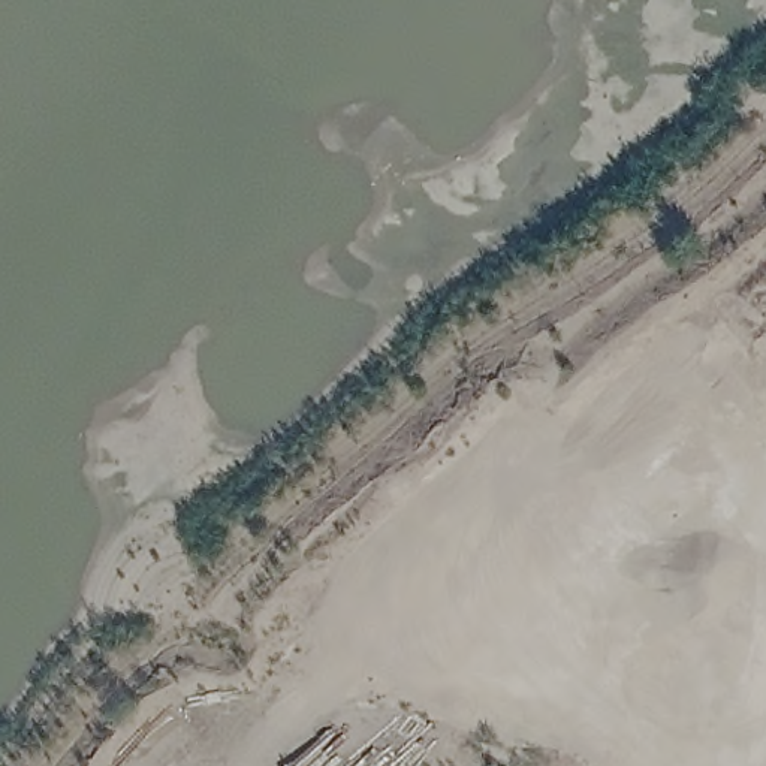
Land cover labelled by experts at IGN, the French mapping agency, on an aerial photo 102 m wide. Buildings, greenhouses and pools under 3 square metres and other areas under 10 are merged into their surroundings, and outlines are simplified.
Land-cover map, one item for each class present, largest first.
<instances>
[{"label":"pervious surface","instance_id":"1","mask_svg":"<svg viewBox=\"0 0 766 766\"><path fill-rule=\"evenodd\" d=\"M452 458L434 455L431 461L407 467L404 473H389L377 479L380 488L374 494V503L359 515L356 527H350L335 545L326 548L329 557L311 560V569H299L296 575H290L263 601V610L251 622L257 652L248 658V664L239 667V673H189L171 685L156 688L138 703V706H135V709H132V712H129V715H126V718H123V721H120V724H117V727L111 730V736L102 742L90 766H482L464 745L467 733H473L479 724H488L497 733L494 742H482L494 760L506 763L512 748L539 745L551 754V766H766V227L754 239L739 242L730 251V257L715 263L703 278L688 281L685 287H679L676 296H667L664 302L652 305L637 323H631L607 344H601L583 368L572 371L554 365L545 371L542 383L509 380V398H500L497 389L488 383V392L476 401V407L452 434Z\"/></svg>","mask_w":766,"mask_h":766},{"label":"water","instance_id":"2","mask_svg":"<svg viewBox=\"0 0 766 766\"><path fill-rule=\"evenodd\" d=\"M551 0H0V724H6V712L15 709V703L24 694V682L42 679L36 655L45 652V643H51L60 634V628H66L75 619L84 601V580L102 530V512L84 473L87 431L93 428V413L99 404L138 389L141 380H147L156 371H165L171 365V356L180 350L186 332L194 326H206L209 338L197 347V380L203 389V401L215 413L221 428L245 431L248 443L257 446L263 440H272V434L281 431L284 422H296L302 413V401L314 398L323 389V383L353 353H359L362 344L371 341L377 329L374 308L362 302H347L320 293L305 281V266L314 248L326 245L329 239H344L350 245L356 227L371 218L374 192L368 168L341 153H329L320 144V123L332 117V111H341L353 102H377L392 117H398L425 147L452 159H458L467 147L479 141L488 144L491 138H497L500 123V117L509 114L527 93L539 90L545 69L551 66Z\"/></svg>","mask_w":766,"mask_h":766},{"label":"bare soil","instance_id":"3","mask_svg":"<svg viewBox=\"0 0 766 766\"><path fill-rule=\"evenodd\" d=\"M748 9H754L763 21L736 30L724 42L721 36L694 30V0H649L643 6V48L652 63L697 66L688 81L682 75H649L643 99L631 111L616 114L610 102L613 96H625L628 84L622 78L601 81L607 57L595 45V36L583 33L580 51L586 54L589 66V96L583 105L589 108V120L580 126L575 159L542 162L530 174V183L521 194H512L500 180V165L515 153L521 135L509 123H500L497 138H491L488 144L479 141L467 147L458 159H452L425 147L398 117H392L377 102H353L341 111H332V117L320 123V144L329 153H341L368 168L374 192L371 218V233H383L389 224L410 221L416 215L413 209L395 212V194L404 189H425L434 203L446 206L455 215H476V206L464 203V194H470L473 186H482L485 197L500 200L497 212L491 215V230H476V242L485 251L461 275L449 278L437 290H425L419 275L407 278V290L419 299L425 305H443L455 290L482 284L485 269L512 266L518 260L521 245L548 242L557 230H563L566 221H583V212L592 200H601L610 186L628 183V165L634 159H640L646 150L661 147L670 135L694 132V126L700 123V108H691L688 99L694 93H703V87L718 72L736 66L748 45L766 36V0H748ZM739 111L748 129L721 144L703 168L676 171L673 183L661 186L667 197L661 206L655 200H646L640 212L610 215L601 248L580 254L569 272L545 275L536 269L518 290L506 281L494 293L497 308L491 314L467 326L449 320L434 335L428 353L419 362L425 386L410 392L401 380H395L377 392L374 407L365 410L350 431L332 428L320 464L293 488H287L281 500H263L266 524L257 536H251L245 527H233L227 533L224 551L215 557V566L206 577H197L189 554L177 539V503L186 500L194 488L215 482L218 473L230 470L248 455L263 458L266 452L278 449V443H293L311 425V413L338 407L344 395H359L362 386H371L374 374H380V359L374 353L389 347L395 329L383 323L377 329L371 341L362 344L359 353H353L323 383V389L314 398L302 401V413L296 422H284L281 431L272 434V440H263L257 446L248 443L245 431L221 428L215 413L203 401V389L197 380V347L209 338L206 326H194L186 332L180 350L171 356V365L165 371H156L147 380H141L138 389L99 404L93 413V428L87 431L84 473L102 512V530L84 580V601L75 619L78 625L90 619L96 613L111 610L147 613L153 619L150 637L132 646H117L108 658L93 649L87 652V685L93 691H72V709L63 721V730L54 739H48L39 751H24L15 766H90L102 742L111 736V730H108V724H96V718H99V709H102V712H114V709H117V703H123V700H135V703H138L156 688L171 685L189 673H239V667L248 664V658L257 652L251 622L263 610V601L290 575H296L299 569H311V560L329 557L326 548L335 545L350 527H356L359 515L374 503V494L380 488L377 479L389 473H404L407 467L431 461L434 455L452 458V434L476 407V401L488 392V383L497 389L500 398H509V380L542 383L545 371L554 365L572 371L583 368L601 344H607L631 323H637L652 305L664 302L667 296H676L679 287H685L688 281L703 278L715 263L730 257V251L739 242L754 239L766 227V93L751 90L742 96ZM691 227H697L712 242L694 266L670 272L661 251H667L673 239ZM305 281L320 293L347 302H362L365 287L371 281V266L350 254V245L344 239H329L326 245L314 248L305 266Z\"/></svg>","mask_w":766,"mask_h":766},{"label":"deciduous trees","instance_id":"4","mask_svg":"<svg viewBox=\"0 0 766 766\"><path fill-rule=\"evenodd\" d=\"M751 90L766 93V36L748 45L736 66L718 72L703 87V93H694L688 99L691 108H700V123L694 126V132L670 135L661 147L646 150L640 159H634L628 165V183L610 186L601 200H592L583 212V221H566L563 230H557L548 242L521 245L518 260L512 266L485 269L482 284L455 290L443 305H425L419 299L407 308L404 320L395 329L389 347L374 353L380 359V374H374L371 386H362L359 395H344L338 407L311 413V425L293 443H278V449L266 452L263 458L248 455L230 470L218 473L215 482L194 488L186 500L177 503V539L189 554L197 577H206L215 566V557L224 551L227 533L233 527H245L251 536H257L266 524L263 500H281L287 488H293L320 464L332 428L350 431L365 410L374 407L377 392L395 380H401L410 392L425 386L419 362L428 353L434 335L449 320L467 326L491 314L497 308L494 293L506 281L518 290L536 269L545 275L569 272L580 254L601 248L610 215L640 212L646 200H655L661 206L667 197L661 186L673 183L676 171L703 168L721 144L748 129L739 111L742 96ZM712 242L697 227H691L673 239L667 251H661L670 272L694 266ZM93 649L108 658L117 646H132L150 637L153 619L147 613L111 610L96 613L90 619ZM33 700L24 694L15 703V709L6 712V724H0V766H15L24 751H39L48 739L42 721L27 718ZM135 706H138V703H135V700H123V703H117V709H114V712H102V709H99V718H96V724H108V730H111L117 727V724H120V721H123V718H126V715H129V712H132V709H135Z\"/></svg>","mask_w":766,"mask_h":766},{"label":"herbaceous vegetation","instance_id":"5","mask_svg":"<svg viewBox=\"0 0 766 766\"><path fill-rule=\"evenodd\" d=\"M649 0H551V66L545 69L539 90L527 93L509 114L500 117V123H509L521 135L515 153L500 165V180L512 194H521L530 183V174L542 162L575 159L580 126L589 120V108L583 105L589 96V66L586 54L580 51L583 33L595 36V45L607 57L601 81L622 78L628 84L625 96H613L610 102L616 114L631 111L643 99L649 75H682L688 81L697 66L652 63L643 48V6ZM763 21L754 9H748V0H694V30L721 36L724 42L736 30ZM464 203L476 206V215H455L446 206L434 203L425 189H404L395 194V212L413 209L416 215L410 221L389 224L383 233H371V218L356 227L350 245V254L371 266V281L365 287L362 302L374 308L377 329L383 323L395 329L404 320L407 308L419 299L407 290V278L419 275L425 290H437L449 278L461 275L485 251L476 242V230H491V215L497 212L500 200L485 197L482 186H473L470 194H464Z\"/></svg>","mask_w":766,"mask_h":766},{"label":"brushwood","instance_id":"6","mask_svg":"<svg viewBox=\"0 0 766 766\"><path fill-rule=\"evenodd\" d=\"M93 649L90 619L78 625L75 619L66 628H60V634L51 643H45V652L36 655L42 679L24 682V694L33 700L27 718L42 721L48 739H54L63 730V721L72 709V691H93L87 685V652ZM497 733L488 724H479L473 733H467L464 745L482 766H551V754L539 745L512 748L506 763L494 760L482 742H494Z\"/></svg>","mask_w":766,"mask_h":766}]
</instances>
